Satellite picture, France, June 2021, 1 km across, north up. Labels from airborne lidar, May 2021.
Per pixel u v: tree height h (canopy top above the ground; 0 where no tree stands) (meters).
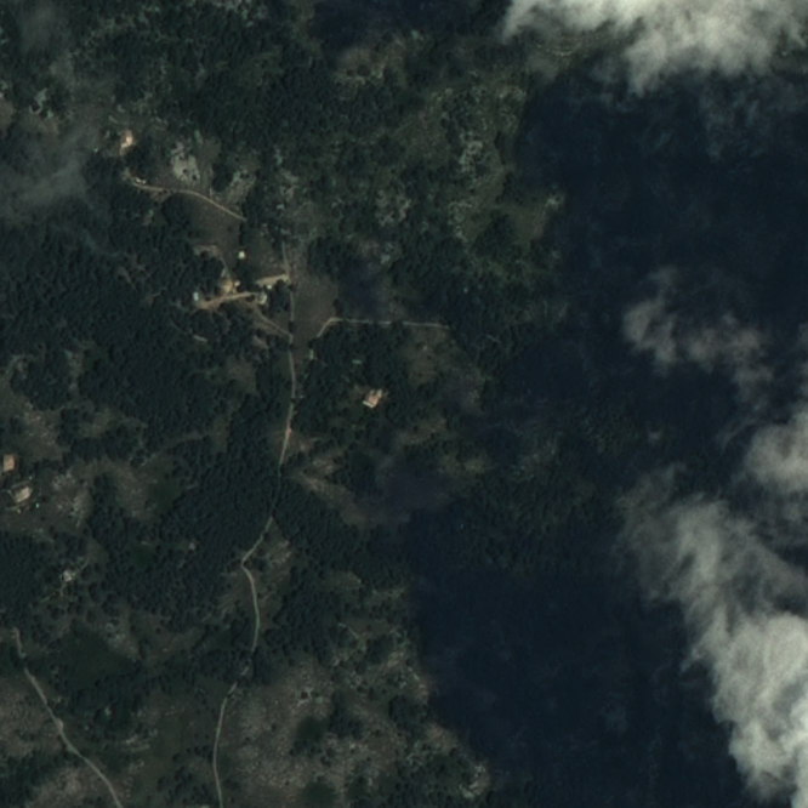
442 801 6
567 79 0
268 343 9
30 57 7
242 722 0
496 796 15
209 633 9
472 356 9
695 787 12
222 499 16
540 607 7
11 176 10
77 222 13
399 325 10
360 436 12
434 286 8
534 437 0
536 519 13
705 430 13
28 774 6
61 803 0
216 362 14
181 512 19
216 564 14
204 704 6
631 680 7
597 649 8
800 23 0
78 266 14
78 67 7
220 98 7
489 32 11
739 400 17
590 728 9
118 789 0
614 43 0
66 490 0
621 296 8
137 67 9
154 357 17
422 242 11
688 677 9
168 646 0
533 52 0
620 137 7
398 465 0
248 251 8
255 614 0
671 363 9
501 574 12
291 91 15
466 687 0
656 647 0
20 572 14
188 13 6
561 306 0
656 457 7
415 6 11
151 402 16
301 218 0
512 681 14
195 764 0
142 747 0
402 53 0
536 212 0
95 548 0
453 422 12
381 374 18
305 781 0
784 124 0
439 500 0
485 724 11
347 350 19
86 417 9
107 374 14
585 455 11
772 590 16
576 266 9
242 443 8
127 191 14
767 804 13
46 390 12
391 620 10
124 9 10
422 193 7
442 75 0
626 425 17
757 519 6
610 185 0
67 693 11
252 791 0
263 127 6
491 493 12
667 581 8
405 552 14
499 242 8
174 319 12
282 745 0
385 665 0
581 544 10
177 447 8
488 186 0
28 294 15
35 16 9
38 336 14
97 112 0
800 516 9
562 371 14
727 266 0
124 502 0
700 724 14
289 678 0
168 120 6
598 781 7
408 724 7
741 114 14
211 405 14
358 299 0
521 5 8
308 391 13
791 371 7
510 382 15
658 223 0
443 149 0
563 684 7
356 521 0
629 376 7
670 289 0
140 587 16
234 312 15
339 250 14
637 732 13
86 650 0
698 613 7
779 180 6
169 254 13
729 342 12
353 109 9
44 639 8
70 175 15
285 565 0
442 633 13
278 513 14
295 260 0
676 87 6
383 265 0
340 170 8
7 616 9
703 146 0
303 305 0
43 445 0
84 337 12
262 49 10
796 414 8
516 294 8
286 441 0
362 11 0
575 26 0
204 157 0
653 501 7
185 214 13
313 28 0
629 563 0
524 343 12
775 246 0
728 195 6
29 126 0
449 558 14
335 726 11
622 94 10
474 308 16
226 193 0
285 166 9
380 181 0
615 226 10
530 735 10
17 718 0
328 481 7
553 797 9
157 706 0
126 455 10
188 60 6
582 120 11
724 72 0
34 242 14
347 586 0
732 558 17
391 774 0
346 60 0
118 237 13
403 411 14
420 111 0
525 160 0
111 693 16
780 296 9
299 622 14
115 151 0
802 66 0
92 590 14
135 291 11
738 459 16
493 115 0
